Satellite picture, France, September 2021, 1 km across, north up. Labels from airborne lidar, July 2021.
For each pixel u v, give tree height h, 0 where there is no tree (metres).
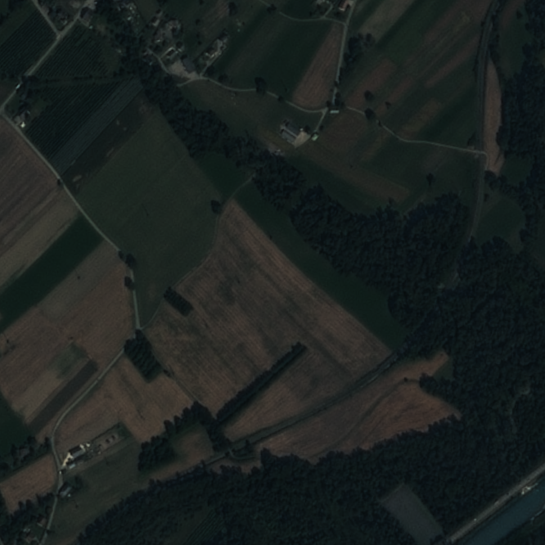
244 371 0
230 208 0
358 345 0
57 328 0
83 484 8
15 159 0
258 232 0
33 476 0
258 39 0
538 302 7
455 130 0
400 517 0
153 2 0
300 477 28
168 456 20
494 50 13
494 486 21
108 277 0
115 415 0
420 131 0
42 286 0
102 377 0
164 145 0
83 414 0
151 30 7
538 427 7
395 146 0
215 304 0
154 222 0
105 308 0
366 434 0
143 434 0
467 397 16
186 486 21
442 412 0
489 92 0
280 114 0
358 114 0
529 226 13
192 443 0
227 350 0
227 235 0
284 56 0
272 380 10
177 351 0
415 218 0
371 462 13
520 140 25
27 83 18
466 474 23
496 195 0
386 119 0
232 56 0
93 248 0
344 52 0
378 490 18
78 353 0
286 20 0
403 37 0
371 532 25
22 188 0
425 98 0
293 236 0
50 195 0
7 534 24
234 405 14
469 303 28
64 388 0
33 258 0
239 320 0
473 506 22
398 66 0
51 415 0
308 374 0
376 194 0
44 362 0
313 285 0
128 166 0
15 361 0
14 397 0
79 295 0
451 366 0
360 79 0
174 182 0
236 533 18
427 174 0
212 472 0
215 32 0
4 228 0
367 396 0
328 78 0
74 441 0
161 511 6
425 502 10
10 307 0
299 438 0
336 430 0
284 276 0
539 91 24
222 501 18
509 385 28
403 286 18
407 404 0
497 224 0
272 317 0
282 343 0
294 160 0
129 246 0
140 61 13
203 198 0
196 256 0
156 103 14
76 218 0
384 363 0
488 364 28
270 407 0
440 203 0
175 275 0
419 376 0
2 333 0
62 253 0
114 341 0
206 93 0
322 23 0
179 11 0
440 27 0
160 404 0
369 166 0
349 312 0
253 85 0
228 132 15
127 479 0
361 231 26
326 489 17
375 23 0
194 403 0
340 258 18
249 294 0
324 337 0
